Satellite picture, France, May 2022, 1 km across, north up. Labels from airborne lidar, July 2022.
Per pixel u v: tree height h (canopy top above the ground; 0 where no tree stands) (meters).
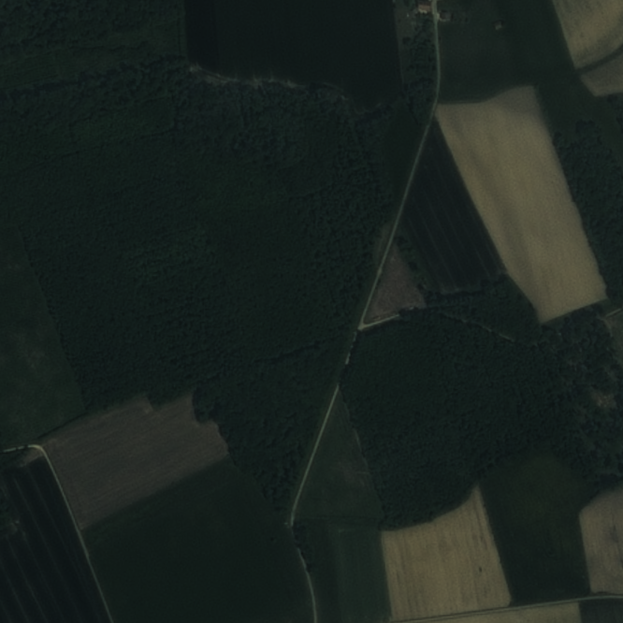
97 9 31
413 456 16
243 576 0
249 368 23
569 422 16
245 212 14
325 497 0
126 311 16
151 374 16
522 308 20
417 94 23
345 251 16
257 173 14
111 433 0
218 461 0
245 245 13
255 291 12
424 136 0
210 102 17
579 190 24
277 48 0
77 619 0
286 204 14
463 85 0
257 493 0
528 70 0
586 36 0
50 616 0
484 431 21
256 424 28
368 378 18
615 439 25
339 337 12
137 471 0
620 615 0
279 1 0
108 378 18
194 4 0
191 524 0
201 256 19
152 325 15
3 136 22
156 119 12
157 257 18
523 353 17
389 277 0
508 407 19
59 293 17
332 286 17
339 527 0
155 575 0
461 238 0
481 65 0
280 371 26
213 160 16
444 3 0
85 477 0
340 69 0
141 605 0
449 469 18
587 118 0
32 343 0
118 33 23
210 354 20
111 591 0
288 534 0
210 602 0
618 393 29
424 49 11
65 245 16
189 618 0
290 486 23
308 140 14
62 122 18
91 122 11
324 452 0
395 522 15
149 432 0
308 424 28
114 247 16
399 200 0
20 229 9
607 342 32
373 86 0
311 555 17
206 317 21
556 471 0
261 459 27
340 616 0
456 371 19
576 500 0
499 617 0
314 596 0
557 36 0
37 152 9
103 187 16
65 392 0
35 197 15
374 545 0
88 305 18
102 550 0
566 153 14
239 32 0
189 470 0
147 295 16
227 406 27
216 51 0
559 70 0
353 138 12
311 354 25
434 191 0
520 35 0
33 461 0
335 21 0
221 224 14
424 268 0
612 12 0
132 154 15
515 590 0
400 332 18
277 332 12
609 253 28
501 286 14
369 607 0
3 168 9
